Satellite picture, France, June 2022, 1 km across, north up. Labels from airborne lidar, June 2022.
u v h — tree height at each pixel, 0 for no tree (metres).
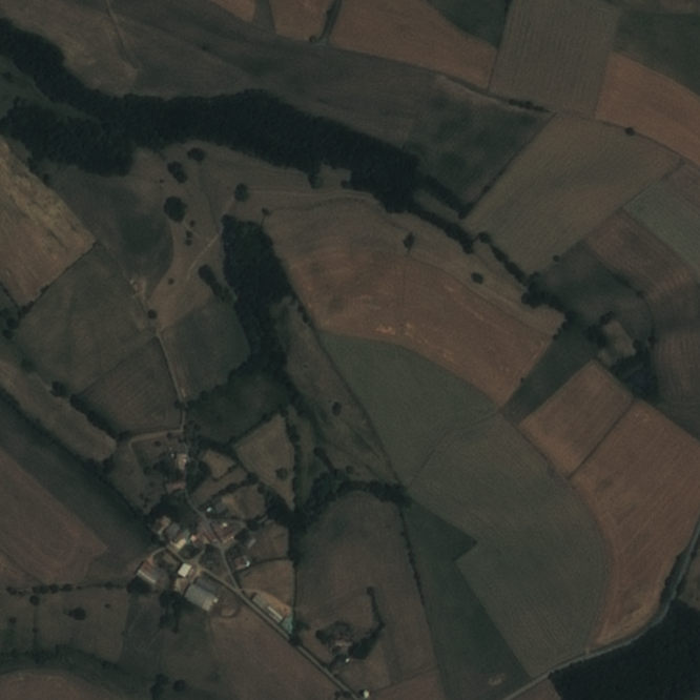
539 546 0
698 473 0
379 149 16
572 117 0
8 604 0
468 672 0
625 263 0
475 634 0
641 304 0
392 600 0
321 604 0
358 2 0
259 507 0
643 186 0
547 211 0
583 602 0
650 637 15
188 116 13
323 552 0
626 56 0
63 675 0
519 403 0
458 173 0
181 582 0
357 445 0
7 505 0
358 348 0
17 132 20
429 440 0
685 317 0
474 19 0
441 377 0
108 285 0
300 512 19
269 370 22
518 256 0
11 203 0
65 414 0
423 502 0
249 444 0
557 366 0
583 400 0
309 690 0
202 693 0
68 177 0
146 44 0
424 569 0
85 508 0
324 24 0
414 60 0
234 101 15
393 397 0
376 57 0
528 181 0
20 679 0
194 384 0
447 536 0
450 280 0
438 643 0
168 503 9
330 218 0
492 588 0
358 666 0
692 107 0
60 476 0
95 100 19
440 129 0
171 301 0
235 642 0
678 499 0
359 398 0
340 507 0
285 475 12
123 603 0
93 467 21
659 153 0
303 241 0
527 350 0
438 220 16
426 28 0
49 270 0
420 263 0
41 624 0
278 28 0
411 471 0
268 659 0
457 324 0
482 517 0
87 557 0
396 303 0
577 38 0
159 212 0
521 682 0
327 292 0
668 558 0
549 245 0
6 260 0
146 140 20
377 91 0
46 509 0
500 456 0
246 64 0
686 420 0
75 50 0
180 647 0
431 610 0
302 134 22
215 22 0
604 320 12
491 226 0
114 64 0
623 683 18
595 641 0
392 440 0
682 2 0
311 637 0
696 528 0
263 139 14
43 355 0
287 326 0
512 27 0
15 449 0
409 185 14
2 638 0
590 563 0
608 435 0
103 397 0
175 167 23
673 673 20
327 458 8
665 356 0
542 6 0
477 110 0
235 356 0
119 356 0
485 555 0
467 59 0
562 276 0
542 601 0
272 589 0
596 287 0
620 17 0
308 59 0
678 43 0
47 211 0
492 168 0
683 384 0
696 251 0
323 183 19
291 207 0
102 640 0
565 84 0
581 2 0
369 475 0
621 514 0
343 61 0
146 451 0
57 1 0
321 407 0
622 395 0
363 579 0
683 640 21
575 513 0
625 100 0
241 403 0
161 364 0
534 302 14
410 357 0
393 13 0
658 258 0
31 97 0
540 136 0
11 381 0
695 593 0
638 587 0
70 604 0
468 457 0
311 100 0
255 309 23
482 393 0
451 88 0
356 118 0
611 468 0
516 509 0
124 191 0
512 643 0
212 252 0
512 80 0
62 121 19
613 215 0
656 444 0
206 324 0
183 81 0
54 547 0
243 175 0
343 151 14
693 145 0
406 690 0
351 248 0
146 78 0
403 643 0
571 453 0
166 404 0
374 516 0
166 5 0
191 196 0
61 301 0
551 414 0
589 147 0
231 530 0
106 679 0
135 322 0
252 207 0
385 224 0
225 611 0
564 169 0
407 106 0
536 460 0
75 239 0
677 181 0
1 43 9
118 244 0
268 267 12
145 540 0
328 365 0
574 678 16
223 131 22
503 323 0
